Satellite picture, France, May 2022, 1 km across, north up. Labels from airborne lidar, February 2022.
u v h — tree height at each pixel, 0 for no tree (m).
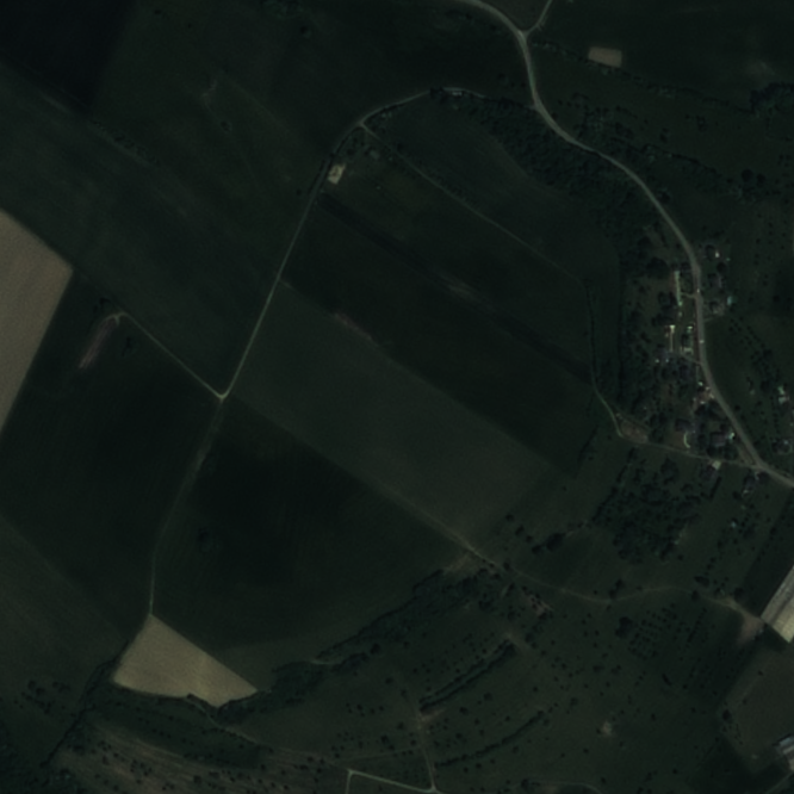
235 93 0
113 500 0
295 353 0
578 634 0
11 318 0
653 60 0
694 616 0
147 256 0
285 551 0
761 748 0
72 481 0
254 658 0
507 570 12
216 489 0
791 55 0
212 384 0
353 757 0
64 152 0
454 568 0
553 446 0
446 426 0
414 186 0
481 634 0
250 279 0
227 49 0
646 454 0
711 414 17
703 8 0
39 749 0
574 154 10
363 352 0
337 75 0
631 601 0
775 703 0
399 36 0
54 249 0
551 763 0
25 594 0
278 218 0
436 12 0
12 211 0
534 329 0
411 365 0
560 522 0
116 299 0
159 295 0
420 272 0
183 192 0
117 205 0
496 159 0
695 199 0
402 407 0
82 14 0
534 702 0
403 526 0
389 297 0
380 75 0
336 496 0
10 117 0
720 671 0
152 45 0
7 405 0
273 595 0
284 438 0
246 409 0
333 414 0
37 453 0
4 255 0
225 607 0
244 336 0
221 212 0
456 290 0
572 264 0
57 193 0
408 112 0
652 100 0
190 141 0
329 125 0
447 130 0
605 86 0
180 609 0
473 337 0
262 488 0
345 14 0
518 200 0
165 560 0
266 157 0
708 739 0
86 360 0
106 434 0
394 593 0
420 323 0
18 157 0
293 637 0
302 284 0
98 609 0
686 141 0
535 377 0
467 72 0
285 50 0
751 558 0
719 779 0
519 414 0
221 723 8
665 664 0
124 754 0
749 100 0
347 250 0
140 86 0
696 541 0
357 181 0
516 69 0
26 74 0
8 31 0
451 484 0
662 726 0
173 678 0
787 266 0
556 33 0
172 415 0
